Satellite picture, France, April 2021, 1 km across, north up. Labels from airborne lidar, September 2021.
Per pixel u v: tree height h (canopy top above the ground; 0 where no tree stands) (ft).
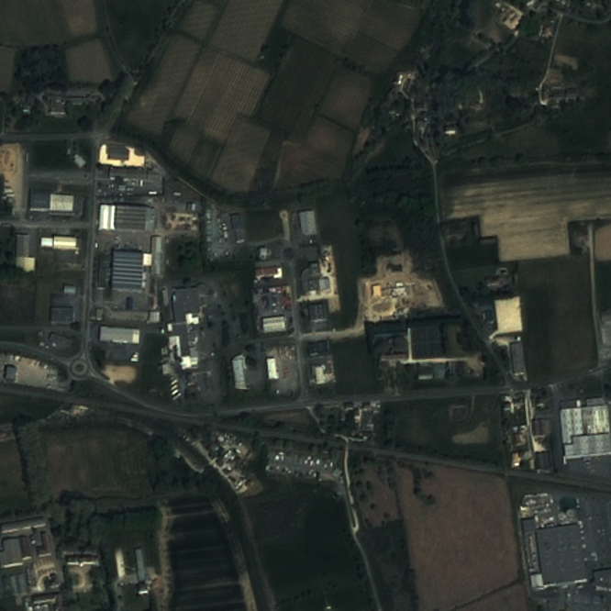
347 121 0
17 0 0
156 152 26
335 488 0
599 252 0
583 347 0
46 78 51
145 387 0
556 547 0
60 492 0
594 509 0
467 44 0
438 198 0
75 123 0
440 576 0
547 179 0
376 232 0
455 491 0
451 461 0
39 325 0
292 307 0
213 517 0
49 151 0
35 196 0
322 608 0
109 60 0
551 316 0
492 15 0
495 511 0
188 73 0
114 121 0
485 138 18
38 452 113
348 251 0
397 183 23
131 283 0
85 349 0
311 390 0
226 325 30
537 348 0
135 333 0
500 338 0
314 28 0
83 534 105
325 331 0
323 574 0
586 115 0
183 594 0
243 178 0
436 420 0
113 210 0
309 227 0
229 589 0
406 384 33
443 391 0
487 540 0
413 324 44
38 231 0
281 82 0
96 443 0
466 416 0
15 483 0
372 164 0
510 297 34
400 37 0
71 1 0
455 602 0
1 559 0
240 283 0
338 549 0
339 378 0
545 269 0
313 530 0
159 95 0
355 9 0
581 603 0
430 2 52
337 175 0
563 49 0
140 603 0
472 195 0
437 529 0
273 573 0
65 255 0
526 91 56
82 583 0
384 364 39
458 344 0
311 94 0
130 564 0
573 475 0
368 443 28
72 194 0
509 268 0
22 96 32
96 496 0
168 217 0
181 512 0
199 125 0
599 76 0
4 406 0
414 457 0
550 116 44
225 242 0
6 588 0
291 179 0
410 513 0
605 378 0
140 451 0
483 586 0
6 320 0
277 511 0
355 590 0
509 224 0
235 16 0
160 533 0
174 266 0
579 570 0
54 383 0
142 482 0
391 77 34
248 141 0
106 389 0
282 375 0
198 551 0
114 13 0
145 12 0
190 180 29
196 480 41
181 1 44
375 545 0
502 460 0
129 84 84
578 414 0
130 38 0
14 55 0
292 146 0
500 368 0
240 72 0
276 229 0
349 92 0
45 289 0
